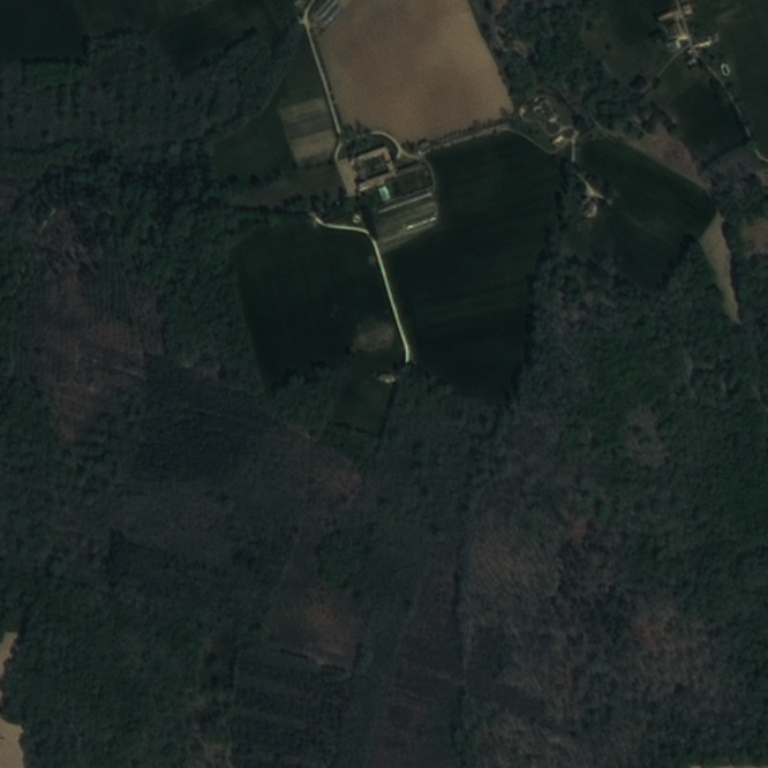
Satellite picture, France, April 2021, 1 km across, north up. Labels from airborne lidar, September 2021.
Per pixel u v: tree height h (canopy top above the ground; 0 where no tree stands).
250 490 10
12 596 24
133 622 16
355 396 0
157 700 16
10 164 21
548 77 23
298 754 13
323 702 13
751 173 14
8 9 0
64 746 12
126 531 10
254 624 12
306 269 0
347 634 8
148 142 15
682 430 19
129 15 0
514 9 14
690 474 10
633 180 0
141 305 6
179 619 13
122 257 19
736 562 11
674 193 0
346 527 17
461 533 15
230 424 12
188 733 12
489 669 6
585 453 20
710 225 0
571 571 14
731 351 22
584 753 18
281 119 0
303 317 0
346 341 0
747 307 20
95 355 7
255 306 0
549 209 0
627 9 0
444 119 0
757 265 14
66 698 20
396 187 6
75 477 15
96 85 14
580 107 19
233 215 24
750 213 16
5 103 20
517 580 15
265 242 0
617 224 0
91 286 8
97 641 19
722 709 14
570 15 14
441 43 0
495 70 0
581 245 0
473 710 20
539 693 17
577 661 18
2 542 18
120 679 18
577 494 12
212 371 18
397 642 16
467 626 20
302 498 12
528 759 14
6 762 0
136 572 11
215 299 20
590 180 10
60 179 14
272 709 12
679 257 0
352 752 16
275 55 18
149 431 12
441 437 13
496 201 0
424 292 0
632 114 16
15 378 11
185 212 25
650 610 19
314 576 13
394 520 14
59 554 10
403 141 0
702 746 19
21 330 9
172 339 17
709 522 12
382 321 0
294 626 9
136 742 24
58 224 6
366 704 15
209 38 0
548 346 20
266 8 0
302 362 0
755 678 15
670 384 16
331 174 0
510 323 0
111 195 22
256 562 12
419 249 0
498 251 0
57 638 25
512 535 22
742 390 24
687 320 21
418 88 0
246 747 10
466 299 0
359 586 16
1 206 6
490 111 0
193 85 13
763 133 0
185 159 20
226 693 19
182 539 13
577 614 14
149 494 13
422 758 16
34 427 15
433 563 11
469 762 17
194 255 26
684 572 21
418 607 10
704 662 19
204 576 12
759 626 18
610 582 10
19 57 0
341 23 0
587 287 23
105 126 16
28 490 19
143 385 7
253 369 15
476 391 0
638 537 19
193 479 10
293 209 13
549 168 0
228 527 10
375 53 0
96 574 9
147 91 13
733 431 23
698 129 0
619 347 21
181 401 13
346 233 0
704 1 0
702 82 0
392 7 0
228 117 9
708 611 21
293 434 9
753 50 0
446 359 0
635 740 16
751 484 21
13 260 24
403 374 15
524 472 14
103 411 11
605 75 12
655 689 20
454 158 0
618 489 18
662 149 0
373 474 13
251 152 0
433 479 14
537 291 22
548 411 23
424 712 12
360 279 0
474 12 0
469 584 19
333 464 12
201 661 13
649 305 21
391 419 18
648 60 0
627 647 13
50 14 0
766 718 18
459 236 0
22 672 17
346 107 0
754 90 0
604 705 17
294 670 16
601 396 20
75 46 0
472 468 12
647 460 13
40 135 17
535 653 14
